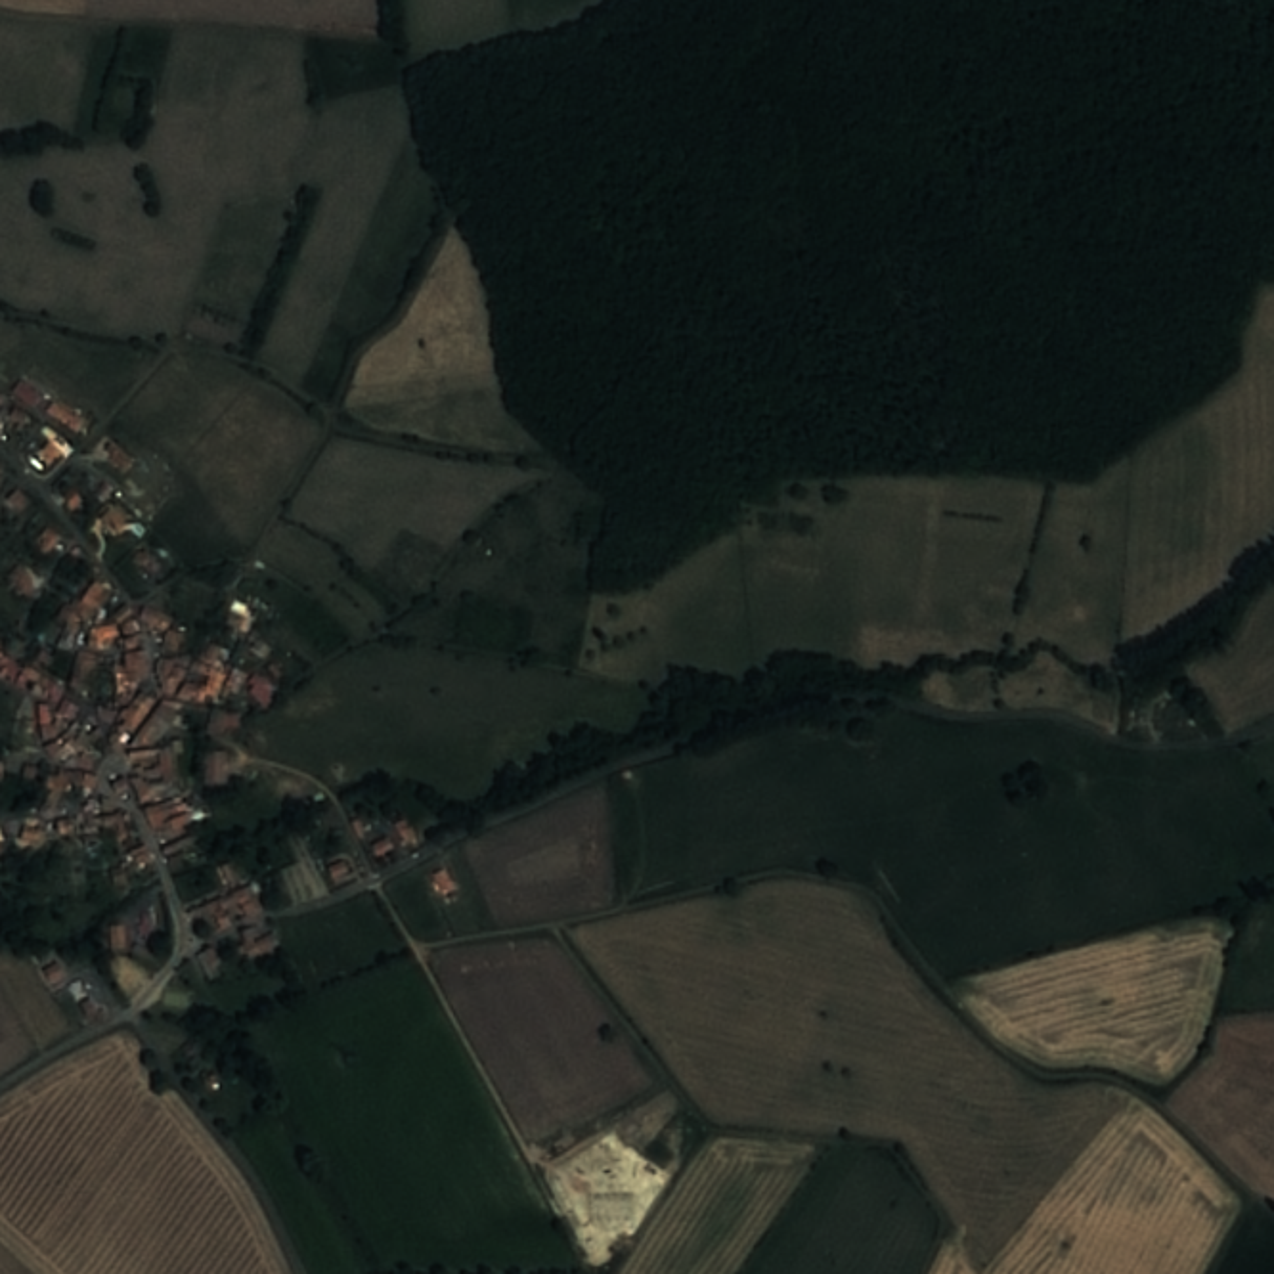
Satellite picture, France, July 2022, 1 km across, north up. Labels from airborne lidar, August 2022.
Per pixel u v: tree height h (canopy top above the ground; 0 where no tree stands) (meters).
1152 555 0
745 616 0
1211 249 17
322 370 0
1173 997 0
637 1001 0
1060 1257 0
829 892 0
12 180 0
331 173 0
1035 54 17
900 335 16
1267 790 11
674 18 16
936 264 18
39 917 16
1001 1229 0
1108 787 0
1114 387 18
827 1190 0
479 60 14
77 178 0
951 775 0
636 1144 0
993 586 0
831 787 0
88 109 0
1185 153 12
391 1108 0
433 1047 0
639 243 9
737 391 14
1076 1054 0
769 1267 0
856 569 0
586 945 0
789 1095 0
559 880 0
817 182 10
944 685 0
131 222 0
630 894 0
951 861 0
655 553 14
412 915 0
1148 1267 0
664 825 0
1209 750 0
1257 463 0
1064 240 12
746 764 0
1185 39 20
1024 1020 0
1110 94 16
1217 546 0
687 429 10
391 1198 0
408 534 0
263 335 9
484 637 0
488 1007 0
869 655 0
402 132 0
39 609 7
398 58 9
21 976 0
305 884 0
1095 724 0
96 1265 0
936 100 12
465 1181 0
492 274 12
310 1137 0
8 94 0
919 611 0
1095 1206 0
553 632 0
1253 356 0
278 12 0
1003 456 15
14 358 0
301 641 0
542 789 10
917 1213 0
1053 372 17
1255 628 0
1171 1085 0
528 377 9
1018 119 16
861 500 0
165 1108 0
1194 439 0
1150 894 0
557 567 0
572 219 13
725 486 15
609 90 16
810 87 10
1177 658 28
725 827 0
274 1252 0
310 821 28
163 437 0
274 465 0
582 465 8
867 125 15
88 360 0
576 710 0
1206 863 0
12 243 0
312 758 0
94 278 0
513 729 0
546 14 0
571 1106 0
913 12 20
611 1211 0
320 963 0
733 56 15
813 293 14
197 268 0
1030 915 0
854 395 15
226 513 0
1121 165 15
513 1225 0
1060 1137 0
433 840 15
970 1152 0
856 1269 0
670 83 18
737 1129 0
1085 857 0
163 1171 0
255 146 0
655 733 17
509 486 0
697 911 0
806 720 15
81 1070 0
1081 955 0
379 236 0
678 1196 0
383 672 0
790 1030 0
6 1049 0
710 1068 0
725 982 0
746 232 14
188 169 0
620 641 6
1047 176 16
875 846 0
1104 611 0
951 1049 0
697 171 14
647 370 10
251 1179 0
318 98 8
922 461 17
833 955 0
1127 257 16
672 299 8
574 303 9
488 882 0
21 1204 0
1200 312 16
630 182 17
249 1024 10
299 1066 0
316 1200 0
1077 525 0
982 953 0
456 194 13
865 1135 0
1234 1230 0
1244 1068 0
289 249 6
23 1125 0
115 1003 0
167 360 0
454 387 0
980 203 18
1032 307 15
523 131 14
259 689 0
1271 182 17
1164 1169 0
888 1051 0
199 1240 0
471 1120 0
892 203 12
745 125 15
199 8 0
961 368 16
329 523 0
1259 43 17
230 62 0
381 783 23
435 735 0
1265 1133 0
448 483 0
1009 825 0
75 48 0
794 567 0
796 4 14
